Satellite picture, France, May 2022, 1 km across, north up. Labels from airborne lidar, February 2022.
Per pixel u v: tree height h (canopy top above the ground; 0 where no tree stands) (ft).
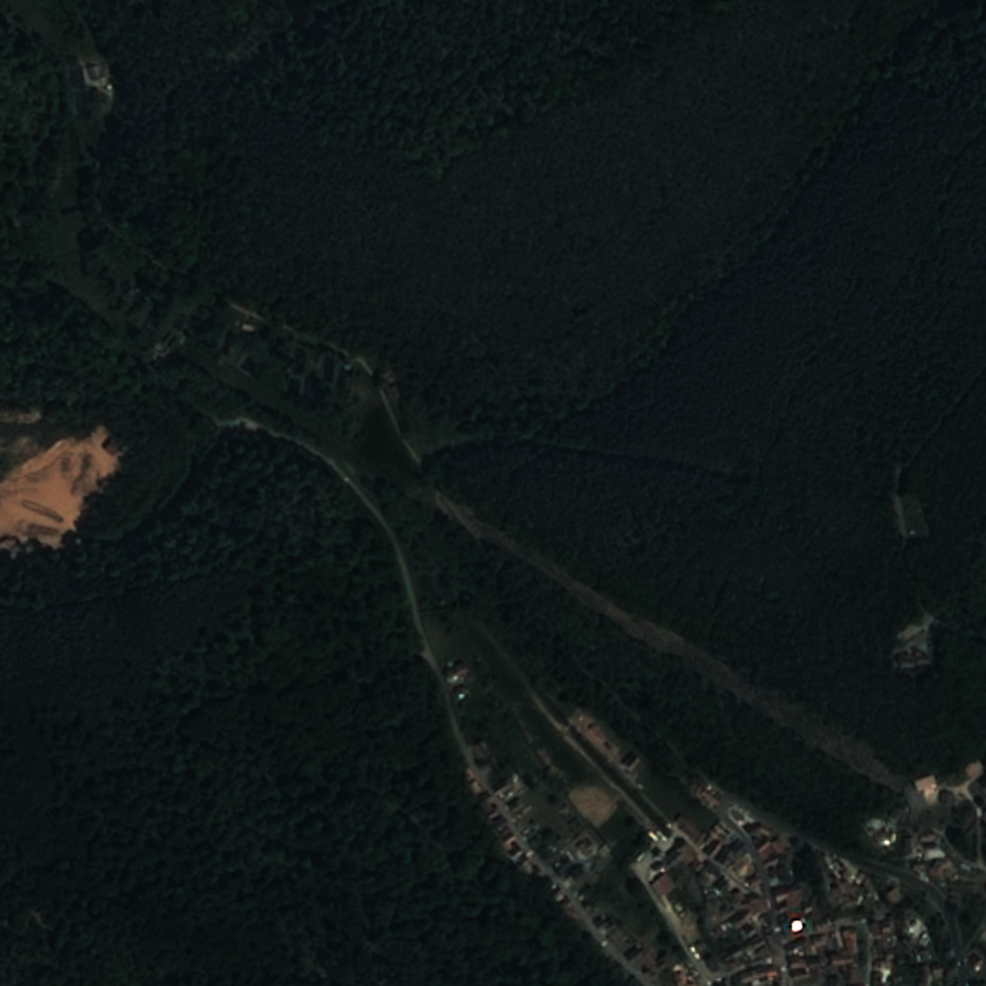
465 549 73
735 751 52
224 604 56
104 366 61
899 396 77
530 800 0
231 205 80
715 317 82
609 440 79
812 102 75
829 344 62
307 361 0
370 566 92
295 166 78
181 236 99
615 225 64
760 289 80
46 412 28
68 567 41
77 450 0
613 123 59
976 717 87
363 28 108
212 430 64
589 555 55
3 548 0
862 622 70
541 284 60
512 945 114
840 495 63
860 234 76
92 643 57
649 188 55
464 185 65
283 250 66
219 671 33
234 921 75
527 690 0
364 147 58
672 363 77
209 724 89
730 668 41
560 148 62
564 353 82
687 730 81
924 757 73
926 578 49
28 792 51
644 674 76
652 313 64
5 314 37
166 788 76
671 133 50
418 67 70
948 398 76
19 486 0
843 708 56
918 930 0
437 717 94
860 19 45
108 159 82
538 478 82
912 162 62
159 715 32
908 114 76
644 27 58
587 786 0
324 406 72
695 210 70
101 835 67
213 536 78
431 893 96
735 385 75
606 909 0
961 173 61
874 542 67
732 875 0
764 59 58
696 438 69
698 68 56
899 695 66
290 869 22
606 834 0
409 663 64
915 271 68
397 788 86
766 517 54
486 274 74
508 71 83
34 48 83
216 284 86
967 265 63
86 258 55
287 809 96
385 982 70
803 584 55
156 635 49
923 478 31
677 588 58
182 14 78
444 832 101
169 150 89
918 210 60
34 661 53
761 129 72
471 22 90
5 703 46
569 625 73
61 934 79
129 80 84
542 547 62
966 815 39
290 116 85
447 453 24
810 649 68
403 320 78
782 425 59
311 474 95
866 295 58
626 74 58
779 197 77
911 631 0
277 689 54
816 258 74
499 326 70
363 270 67
